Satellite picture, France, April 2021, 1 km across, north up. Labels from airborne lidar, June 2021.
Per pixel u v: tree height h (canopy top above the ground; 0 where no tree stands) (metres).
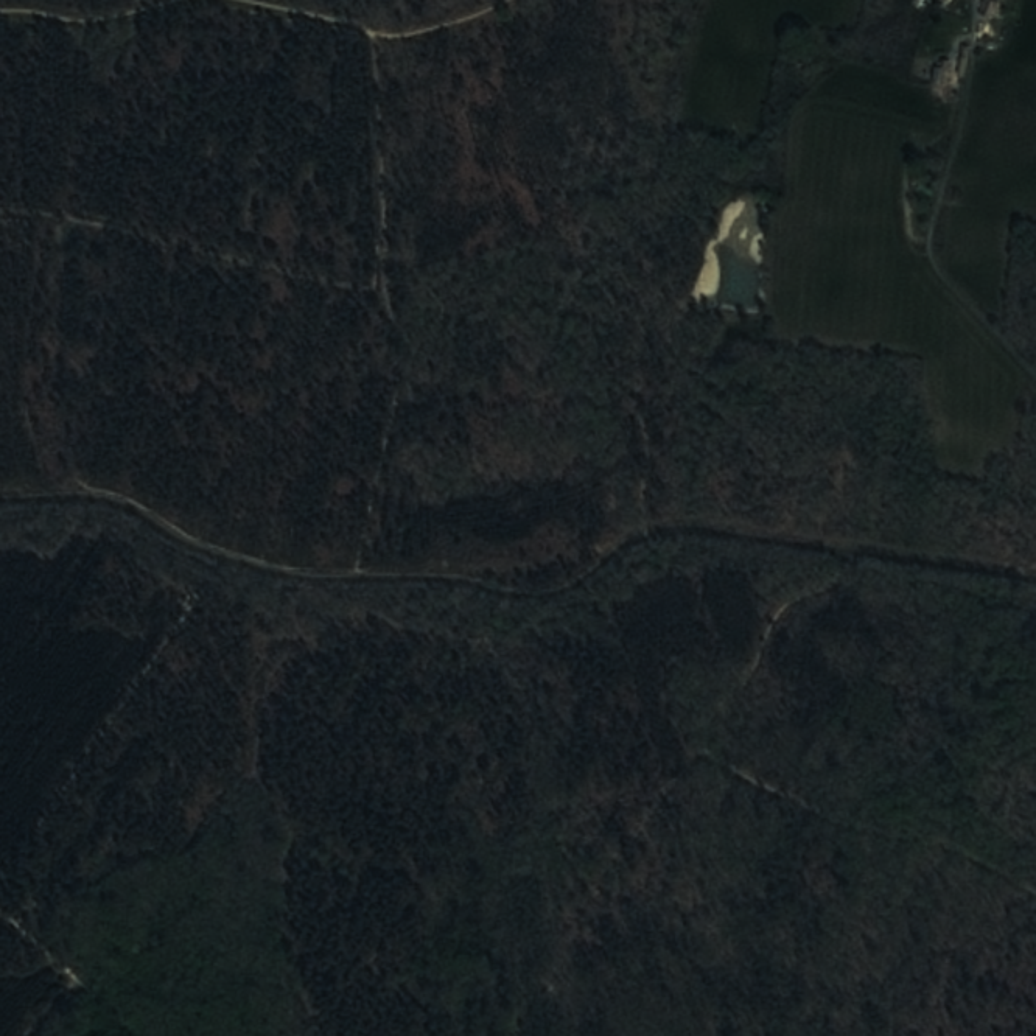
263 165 14
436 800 20
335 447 15
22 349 18
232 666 21
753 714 9
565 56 7
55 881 7
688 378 15
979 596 14
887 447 13
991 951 10
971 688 18
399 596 14
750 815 18
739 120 0
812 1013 8
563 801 13
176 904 17
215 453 15
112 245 19
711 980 13
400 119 7
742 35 0
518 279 11
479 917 16
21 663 10
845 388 15
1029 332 17
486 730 11
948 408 0
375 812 20
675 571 13
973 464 0
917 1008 8
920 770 13
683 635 14
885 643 10
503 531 14
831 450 16
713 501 14
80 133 18
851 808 17
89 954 13
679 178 15
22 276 22
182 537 0
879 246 0
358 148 16
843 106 0
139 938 20
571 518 14
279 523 15
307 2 10
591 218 19
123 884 16
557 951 15
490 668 12
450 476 10
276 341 14
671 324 18
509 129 8
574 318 15
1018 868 16
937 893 21
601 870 10
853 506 16
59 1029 15
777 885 17
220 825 17
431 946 15
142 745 9
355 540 19
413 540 16
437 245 10
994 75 0
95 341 18
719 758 15
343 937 18
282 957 18
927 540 15
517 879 14
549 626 18
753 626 13
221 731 22
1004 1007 21
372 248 17
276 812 17
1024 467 11
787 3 0
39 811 10
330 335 16
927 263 0
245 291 18
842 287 0
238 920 17
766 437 15
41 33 15
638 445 14
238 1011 16
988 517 12
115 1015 20
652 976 17
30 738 10
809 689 6
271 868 14
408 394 11
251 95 16
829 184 0
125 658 8
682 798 9
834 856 10
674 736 16
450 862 11
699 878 13
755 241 0
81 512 17
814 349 14
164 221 16
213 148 8
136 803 18
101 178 20
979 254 0
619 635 10
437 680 8
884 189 0
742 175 20
